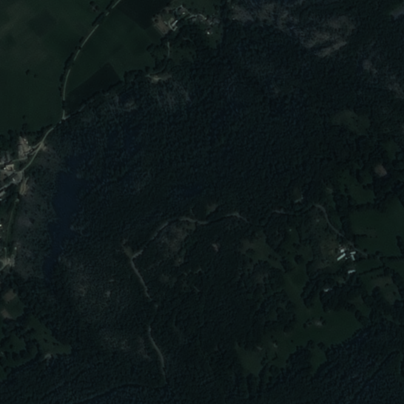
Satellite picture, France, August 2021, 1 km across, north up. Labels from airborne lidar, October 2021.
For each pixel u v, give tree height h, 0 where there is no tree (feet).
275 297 43
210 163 42
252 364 0
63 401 68
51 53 0
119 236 29
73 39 0
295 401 62
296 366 53
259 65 23
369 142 69
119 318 35
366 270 0
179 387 94
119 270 30
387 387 58
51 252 28
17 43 0
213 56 25
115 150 44
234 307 66
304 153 100
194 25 21
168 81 21
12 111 0
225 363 58
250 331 67
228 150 50
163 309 64
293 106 55
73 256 20
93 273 25
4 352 0
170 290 26
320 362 0
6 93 0
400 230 0
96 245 32
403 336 65
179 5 0
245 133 48
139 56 0
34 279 27
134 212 41
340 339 0
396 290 0
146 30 0
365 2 45
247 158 64
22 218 0
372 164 69
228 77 22
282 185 65
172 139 66
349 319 0
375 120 72
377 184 68
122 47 0
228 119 100
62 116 0
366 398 68
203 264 52
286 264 62
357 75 27
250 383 54
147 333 46
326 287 54
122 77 0
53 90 0
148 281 42
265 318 42
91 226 30
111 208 34
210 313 65
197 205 30
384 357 51
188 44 55
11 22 0
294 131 90
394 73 22
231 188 63
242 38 78
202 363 53
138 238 42
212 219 53
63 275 67
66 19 0
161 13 22
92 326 71
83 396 66
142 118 56
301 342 0
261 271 38
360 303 0
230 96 32
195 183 53
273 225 33
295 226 44
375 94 59
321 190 71
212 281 56
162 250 29
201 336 55
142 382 71
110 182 32
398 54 49
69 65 52
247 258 35
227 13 29
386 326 47
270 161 61
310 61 29
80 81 0
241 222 35
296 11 24
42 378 53
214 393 90
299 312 0
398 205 0
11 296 0
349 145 91
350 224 66
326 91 47
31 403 76
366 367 71
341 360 73
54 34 0
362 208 49
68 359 48
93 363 87
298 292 0
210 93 73
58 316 42
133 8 0
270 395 61
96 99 42
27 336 60
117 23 0
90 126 21
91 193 67
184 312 71
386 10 38
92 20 0
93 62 0
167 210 46
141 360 26
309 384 60
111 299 30
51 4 0
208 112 65
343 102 38
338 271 23
